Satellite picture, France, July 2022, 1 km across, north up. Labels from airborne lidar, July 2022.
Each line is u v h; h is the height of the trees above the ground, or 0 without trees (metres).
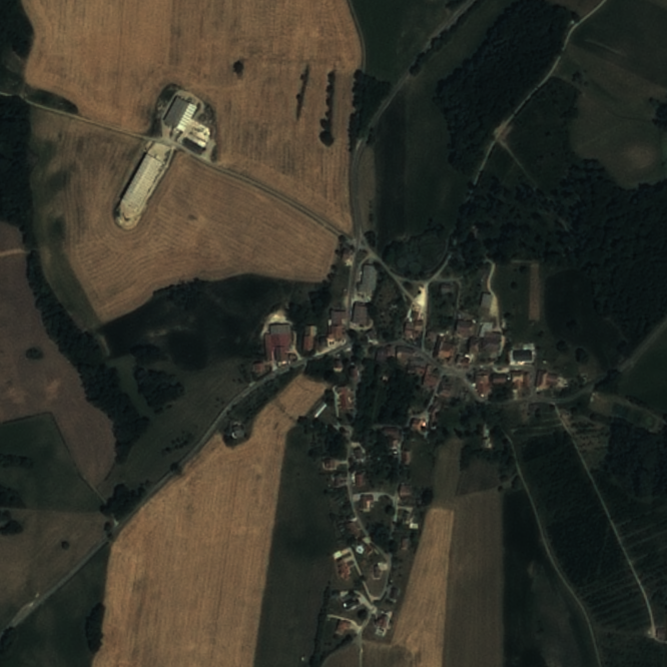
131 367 0
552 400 0
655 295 15
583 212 25
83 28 0
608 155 0
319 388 0
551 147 0
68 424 0
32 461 7
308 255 0
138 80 0
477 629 0
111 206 0
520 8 19
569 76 0
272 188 0
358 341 6
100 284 0
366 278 0
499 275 0
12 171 23
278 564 0
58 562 0
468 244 25
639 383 0
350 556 0
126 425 24
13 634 13
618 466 23
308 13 0
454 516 0
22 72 0
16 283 0
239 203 0
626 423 15
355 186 0
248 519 0
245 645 0
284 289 0
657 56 0
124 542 0
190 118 0
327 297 15
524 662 0
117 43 0
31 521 0
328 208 0
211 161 0
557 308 0
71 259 0
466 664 0
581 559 6
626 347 20
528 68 17
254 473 0
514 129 0
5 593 0
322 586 0
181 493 0
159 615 0
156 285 0
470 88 28
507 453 11
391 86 10
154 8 0
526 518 0
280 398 0
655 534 0
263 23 0
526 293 0
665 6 0
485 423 31
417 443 0
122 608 0
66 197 0
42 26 0
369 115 13
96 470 0
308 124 0
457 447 0
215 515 0
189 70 0
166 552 0
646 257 18
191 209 0
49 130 0
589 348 0
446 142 0
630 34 0
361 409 16
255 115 0
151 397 17
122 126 0
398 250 17
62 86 0
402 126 0
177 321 0
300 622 0
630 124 0
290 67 0
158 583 0
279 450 0
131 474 0
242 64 11
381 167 0
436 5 0
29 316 0
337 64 0
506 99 22
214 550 0
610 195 22
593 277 19
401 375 14
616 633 0
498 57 23
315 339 6
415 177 0
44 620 0
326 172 0
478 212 32
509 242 28
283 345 0
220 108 0
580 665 0
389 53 0
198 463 0
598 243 22
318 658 8
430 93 0
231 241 0
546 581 0
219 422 0
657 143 0
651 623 0
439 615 0
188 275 0
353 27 0
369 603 0
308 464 0
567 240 25
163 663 0
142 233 0
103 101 0
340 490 6
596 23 0
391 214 0
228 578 0
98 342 8
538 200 24
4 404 0
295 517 0
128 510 16
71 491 0
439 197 0
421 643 0
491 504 0
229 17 0
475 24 0
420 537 10
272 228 0
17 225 14
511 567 0
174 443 8
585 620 0
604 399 0
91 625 18
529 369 0
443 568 0
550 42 22
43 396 0
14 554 0
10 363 0
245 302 0
